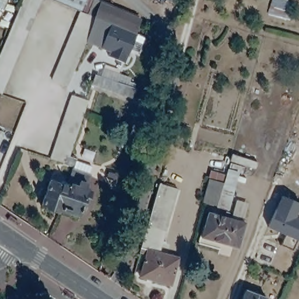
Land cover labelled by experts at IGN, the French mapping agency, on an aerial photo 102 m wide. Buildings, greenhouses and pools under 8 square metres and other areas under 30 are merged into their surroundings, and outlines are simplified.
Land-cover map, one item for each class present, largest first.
<instances>
[{"label":"impervious surface","instance_id":"1","mask_svg":"<svg viewBox=\"0 0 299 299\"><path fill-rule=\"evenodd\" d=\"M134 9L142 16L140 35L137 36V42L134 43L126 61L111 57L105 49L86 41L76 67L72 64L67 75L62 74L57 67L75 28L79 11L75 13L67 7L51 2L50 6L43 9L32 30H27L25 42L16 58L5 92L25 99L26 107L15 132L9 130L6 134L1 133V128L5 127L0 125V187L6 190L9 188L19 164L22 165L30 185L35 186L37 178L30 168L32 159L29 158V153L51 158L71 97L90 99L93 102L96 92H105L107 96L124 100L125 103L127 98L120 93L92 84L96 76L104 74L105 69L121 72L133 68L135 60L142 53V48L152 54L155 44L168 39L174 29H169V25L179 15V11L174 8L173 0H111ZM88 125V120L84 117L72 145L71 157L76 161L75 168V169L84 174L93 192V197L86 200L83 213L64 215L62 211L56 214L54 210L49 209L47 216L53 222L48 224L40 214L29 220L27 216L15 214L13 207L4 204L0 208V293L5 292L6 286L15 285L16 266L23 264L39 276L47 288L50 299H181L180 293L185 280L189 271L196 270V263L202 264L204 260L195 245L190 241V237L199 210L195 190L202 187L203 175L210 176L211 172L228 174L231 165L238 164L232 161V157H224L217 153L195 151L196 135L200 130V126L196 124L192 130L190 152L173 145L169 147L168 164L162 180L155 181L153 193L146 192L139 200V208H148L152 213L160 185L180 190L172 228L165 239L175 250L161 251L179 256L181 269L176 270L171 287L141 279L139 272L146 260L145 251L141 250L142 244L138 245L134 258L127 260L126 263H120L117 270L107 272L102 267L96 269L93 264L77 257L64 242L68 235H72V228L84 229V225L96 224L92 211L100 209L98 174L103 175L102 179L112 187V182L118 180L120 172L113 164L119 157L121 148H117L112 152L113 159L99 166L93 165L95 152L81 147L85 127ZM199 243L217 249L223 256L231 255L232 246L201 237Z\"/></svg>","mask_w":299,"mask_h":299},{"label":"herbaceous vegetation","instance_id":"2","mask_svg":"<svg viewBox=\"0 0 299 299\"><path fill-rule=\"evenodd\" d=\"M238 35L242 36L243 42L249 35L258 37L257 57L249 58L243 49L239 53L231 50L229 44L234 42ZM188 46L193 47L189 50V55L192 56L195 74L189 82L174 78L171 97L176 99L183 96L187 100L185 118L180 119L179 123H186L192 130L196 124L199 123L204 99L210 86L217 92H222L223 86L227 85L229 89L237 88L239 92L246 93L239 118L241 125L238 132L229 135V139L235 140V146L229 148L224 157H232L237 155L257 162V168L252 169V176L267 174V181L272 185L276 176L283 174L279 171V165L281 159L287 155L285 148L299 140V78L294 86L281 85L274 81L273 72L277 67L271 63L270 58H277L281 53H290L299 58V40L294 39V37H285L265 32V30L263 29H250L245 23L238 22L235 16L231 19H222L215 11V2L210 0H200ZM273 0H224L227 11H244L249 15L259 13L265 25L290 29L294 30V32L299 33V19L281 21L271 18L269 12ZM183 26L174 29L168 39L155 44L152 54L142 48V53L135 60L133 68L121 72V75L134 81V95L127 98L125 103L124 100L107 96L105 92H96L93 102L91 109L85 111L84 117L88 120V125L85 127L81 147L95 152L93 165L99 166L113 159L112 152L117 148L110 140H99L100 135L103 132L110 133L114 127L127 124L125 145L132 146L142 125L153 123L155 114L141 103L145 99L146 88L151 85V70L155 65V58L161 56V46L169 41L178 40ZM26 107L25 99L5 92L0 93V125L5 127L1 128V133L6 134L9 130L15 132ZM133 160L124 148H121L119 157L113 164L120 172L118 180L112 182V187L102 179L103 175L98 174L100 209L92 211L96 224L84 225V229L72 228V235H68L64 242L77 257L93 264V259L98 255L91 248L89 237L103 234L109 239H118V231L124 232V223L119 222L123 210L139 208V200L132 199L130 194L125 192L124 180L131 173L126 167L132 164ZM29 158L32 159L30 168L37 178L35 186L30 185L22 165L19 164L9 188L6 190L0 187V208L4 204L13 207L15 214L27 216L29 220L40 214L48 224L53 222L47 216L49 209L42 208L41 203L46 201L44 197L47 196L49 181L68 182L72 178L71 172L75 169V168L68 167L64 171L55 169L57 160L51 158L29 153ZM277 249V255L272 256L271 266L280 271H287L292 264L294 252L299 248V242L292 237H285L284 242L279 244L278 238L267 239L265 242ZM0 299H50L47 288L39 276L23 264L16 266L15 285L6 286L5 292L0 293ZM244 281L259 286L263 292L266 299H276L284 281L283 276L270 273L269 280L263 283L246 273ZM222 281L209 279L206 280V285L196 286L185 280L180 293L181 299H220L218 292Z\"/></svg>","mask_w":299,"mask_h":299},{"label":"building","instance_id":"3","mask_svg":"<svg viewBox=\"0 0 299 299\"><path fill-rule=\"evenodd\" d=\"M51 2L67 7L75 13L79 11L75 28L57 67L62 74L67 75L72 64L76 67L86 41L105 49L111 57L126 61L134 43L137 42V36L140 35L142 16L134 9L111 0H22L19 14L0 55V93L5 92L16 58L25 42L27 30H32L43 9L50 6ZM271 18L281 21L299 19V0H273L269 12ZM92 84L120 93L127 98L134 95V81L121 75V72L105 69L104 74L96 76ZM93 102L90 99L71 97L51 158L57 160L55 169L64 171L68 167L75 168L76 161L71 157L72 145L84 117L85 111L91 109ZM232 161L238 164L231 165L228 174L211 172L210 176L204 196V203L209 206L201 223V237L232 246L241 248L246 225L242 217L248 209L244 197L235 196L238 178L241 176L248 179L252 176V169L257 168V162L237 155L232 157ZM72 178L68 182L49 181L47 196L44 197L46 201L41 203L42 208L49 209L54 210L56 214L62 211L64 215L83 213L86 200L93 197V192L84 174L75 169L71 172ZM180 190L160 185L152 213L145 242L142 244L141 250L145 251L146 260L139 272L141 279L171 287L176 270L181 269L179 256L161 251L175 250L165 239L172 228ZM279 232L278 238L279 244L284 242L285 237H292L299 242V202L288 197L281 199L264 231L265 236ZM245 299H266L263 292L260 294L246 290Z\"/></svg>","mask_w":299,"mask_h":299},{"label":"deciduous trees","instance_id":"4","mask_svg":"<svg viewBox=\"0 0 299 299\"><path fill-rule=\"evenodd\" d=\"M174 8L179 11V15L169 25V29H174L183 26L189 22L192 11L189 7L194 6V0H173ZM215 2V11L222 19H231L235 16L238 22L245 23L250 29H263V26L265 25L259 13L249 15L244 11H227L224 0H210ZM258 37L249 35L243 42L242 36L238 35L234 42L229 44L231 50L239 53L243 49L249 58L257 57ZM193 47L188 46L186 51H183L178 40L169 41L161 46V56L155 58V65L151 70V85L146 88L145 99L141 103L155 114L153 123L142 125L132 146L125 145L127 124L114 127L110 133L103 132L100 135L99 140H110L117 148H124L133 160L132 164L126 167L131 173L124 180L125 192L130 194L132 199L139 200L146 192L153 193L155 181L162 180L168 164L169 147L173 145L190 152L192 130L186 123H179L180 119L185 118L187 100L183 96L176 99L171 97L174 78L189 82L195 74L192 56L189 55V50ZM271 63L277 67L273 72L274 81L281 85L294 86L299 78V58L290 53H281L277 58H270ZM152 213L148 208H139L123 210L119 222L124 223V232L118 231V239H109L103 234L89 237L91 248L98 255L93 259V264L96 269L102 267L107 272L117 270L120 263H126L127 260L134 258L138 245L142 244L145 242Z\"/></svg>","mask_w":299,"mask_h":299},{"label":"pervious surface","instance_id":"5","mask_svg":"<svg viewBox=\"0 0 299 299\"><path fill-rule=\"evenodd\" d=\"M200 0H194V6L189 7L192 11L189 22L183 26L178 40L183 51H186L188 46ZM287 155L281 159L279 165V171L283 174L276 176L272 185L267 181V174L252 176L248 179L241 176L238 178L235 196L244 197L248 209L242 217L246 225L241 248L232 246L231 255L223 256L217 249L199 243L195 245L204 260H210L209 279L222 281L218 292L220 299H245L246 290L260 294L263 292L259 286L244 281L246 273V266L255 265L256 262L271 266L272 256L277 255V249L265 242L267 239L278 238L279 232L265 236L264 231L281 199L288 197L299 202V140L285 148Z\"/></svg>","mask_w":299,"mask_h":299},{"label":"agricultural land","instance_id":"6","mask_svg":"<svg viewBox=\"0 0 299 299\"><path fill-rule=\"evenodd\" d=\"M246 93L239 92L237 88L229 89L227 85L223 86L222 92H217L210 86L204 99L199 123L196 124L200 126V130L196 135L195 151L217 153L224 157L229 148L235 146V140L229 139V135L238 132L241 125L239 118Z\"/></svg>","mask_w":299,"mask_h":299},{"label":"brushwood","instance_id":"7","mask_svg":"<svg viewBox=\"0 0 299 299\"><path fill-rule=\"evenodd\" d=\"M11 5L14 6L12 19L8 27H0V55L19 14L22 0H11ZM263 29L265 30V32L285 37H294V39L299 40V33L294 32V30L290 29L265 25L263 26ZM210 176L203 175L202 187L195 190L199 210L190 237V241L195 245L199 243L201 237V223L209 206L204 203V196ZM246 273L263 283L269 280L270 273L283 276L284 281L276 299H299V248L294 252L292 264L287 271H280L271 266L256 262L255 265L246 266Z\"/></svg>","mask_w":299,"mask_h":299},{"label":"coniferous trees","instance_id":"8","mask_svg":"<svg viewBox=\"0 0 299 299\"><path fill-rule=\"evenodd\" d=\"M210 260H204L202 264L196 263V270L189 271L185 280L196 286L206 285V280L209 279Z\"/></svg>","mask_w":299,"mask_h":299},{"label":"greenhouse","instance_id":"9","mask_svg":"<svg viewBox=\"0 0 299 299\"><path fill-rule=\"evenodd\" d=\"M14 6L11 5V0H0V27H8L12 19Z\"/></svg>","mask_w":299,"mask_h":299}]
</instances>
